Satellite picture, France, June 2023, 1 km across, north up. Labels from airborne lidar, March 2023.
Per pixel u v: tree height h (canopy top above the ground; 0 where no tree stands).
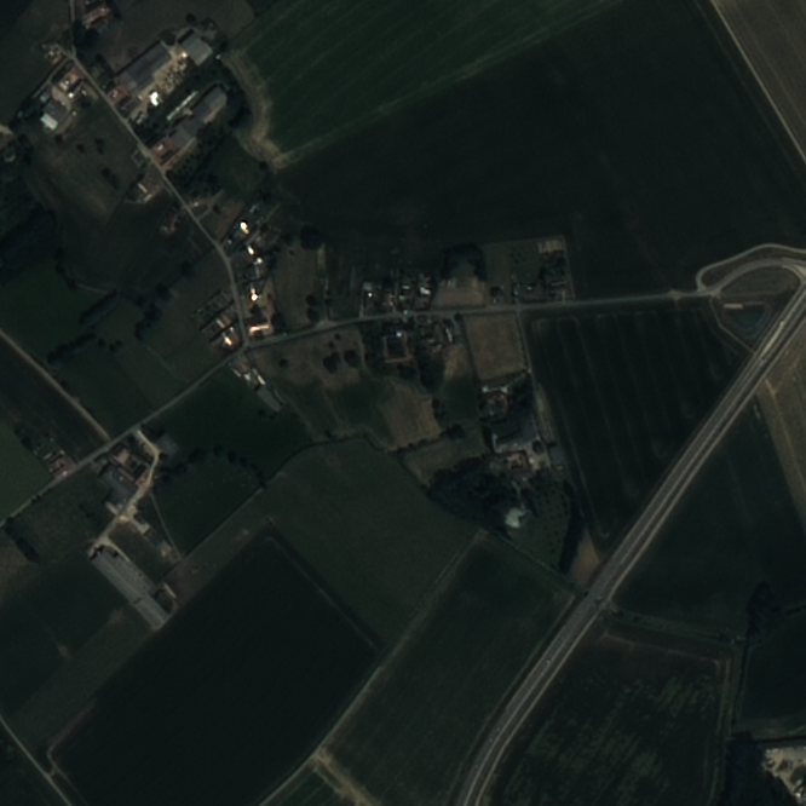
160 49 0
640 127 0
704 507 0
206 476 0
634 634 0
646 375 0
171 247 0
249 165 0
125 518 0
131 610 0
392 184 0
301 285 0
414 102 0
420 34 0
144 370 0
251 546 0
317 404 0
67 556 0
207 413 0
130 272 0
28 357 0
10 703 0
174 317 0
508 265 0
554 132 0
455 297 0
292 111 0
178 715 0
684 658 0
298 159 0
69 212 0
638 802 0
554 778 0
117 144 0
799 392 0
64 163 0
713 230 0
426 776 0
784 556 0
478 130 0
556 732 0
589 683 0
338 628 0
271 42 0
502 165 0
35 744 0
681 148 0
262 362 0
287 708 0
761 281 0
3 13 0
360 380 0
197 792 0
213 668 0
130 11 0
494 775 0
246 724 0
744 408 0
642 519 0
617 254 0
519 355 0
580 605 0
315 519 0
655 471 0
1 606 0
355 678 0
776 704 0
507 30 0
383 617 0
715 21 0
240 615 0
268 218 0
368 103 0
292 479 0
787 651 0
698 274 0
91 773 0
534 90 0
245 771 0
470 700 0
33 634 0
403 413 0
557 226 0
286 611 0
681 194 0
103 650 0
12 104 0
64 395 0
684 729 0
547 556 0
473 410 0
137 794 0
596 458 0
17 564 0
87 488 0
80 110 0
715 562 0
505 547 0
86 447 0
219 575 0
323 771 0
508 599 0
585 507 0
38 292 0
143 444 0
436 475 0
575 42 0
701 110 0
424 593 0
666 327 0
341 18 0
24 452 0
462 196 0
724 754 0
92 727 0
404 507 0
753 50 0
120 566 0
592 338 0
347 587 0
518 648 0
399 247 0
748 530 0
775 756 0
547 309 0
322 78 0
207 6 0
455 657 0
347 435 0
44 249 24
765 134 0
